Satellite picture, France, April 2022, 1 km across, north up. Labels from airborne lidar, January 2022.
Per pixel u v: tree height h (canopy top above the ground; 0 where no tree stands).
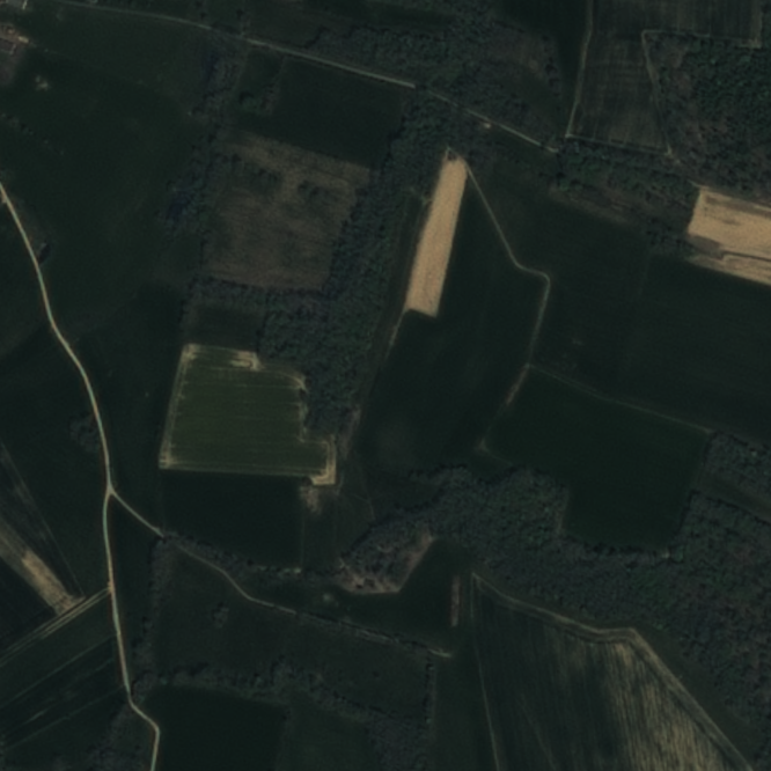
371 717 21
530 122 20
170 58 0
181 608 0
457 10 21
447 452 0
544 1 0
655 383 0
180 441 0
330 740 0
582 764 0
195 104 0
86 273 0
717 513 16
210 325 0
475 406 0
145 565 0
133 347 0
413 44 10
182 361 0
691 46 19
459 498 18
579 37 0
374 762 0
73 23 0
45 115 0
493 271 0
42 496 0
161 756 0
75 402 0
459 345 0
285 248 0
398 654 0
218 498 0
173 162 0
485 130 23
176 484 0
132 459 0
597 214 0
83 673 0
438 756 0
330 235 0
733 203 0
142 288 0
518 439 0
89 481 0
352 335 18
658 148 0
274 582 12
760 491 20
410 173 20
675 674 0
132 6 8
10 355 0
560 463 0
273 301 12
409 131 12
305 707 0
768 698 17
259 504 0
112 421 0
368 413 0
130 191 0
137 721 0
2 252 0
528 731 0
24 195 0
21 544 0
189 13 0
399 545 14
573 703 0
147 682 16
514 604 0
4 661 0
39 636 0
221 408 0
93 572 0
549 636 0
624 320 0
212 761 0
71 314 0
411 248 0
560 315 0
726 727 0
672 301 0
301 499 0
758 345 0
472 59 25
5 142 0
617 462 0
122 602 0
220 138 14
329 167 0
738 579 17
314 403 18
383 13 0
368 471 0
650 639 0
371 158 0
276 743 0
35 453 0
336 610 0
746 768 0
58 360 0
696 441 0
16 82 0
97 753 14
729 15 0
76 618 0
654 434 0
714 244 0
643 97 0
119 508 0
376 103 0
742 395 0
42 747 0
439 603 0
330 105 0
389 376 0
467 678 0
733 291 0
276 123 0
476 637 0
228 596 0
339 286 18
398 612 0
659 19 0
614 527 0
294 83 0
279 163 0
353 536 0
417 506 0
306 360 20
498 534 23
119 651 0
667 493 0
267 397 0
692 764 0
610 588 23
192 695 0
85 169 0
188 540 16
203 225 6
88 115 0
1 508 0
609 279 0
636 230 0
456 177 0
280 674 18
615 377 0
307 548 0
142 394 0
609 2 0
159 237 0
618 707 0
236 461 0
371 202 22
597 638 0
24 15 0
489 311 0
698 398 0
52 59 0
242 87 0
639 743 0
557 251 0
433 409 0
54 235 0
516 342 0
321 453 0
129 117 0
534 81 0
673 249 16
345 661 0
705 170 13
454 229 0
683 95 26
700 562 15
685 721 0
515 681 0
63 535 0
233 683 12
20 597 0
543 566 22
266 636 0
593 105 0
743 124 8
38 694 0
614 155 15
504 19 0
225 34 19
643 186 9
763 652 11
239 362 0
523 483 21
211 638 0
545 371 0
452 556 0
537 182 0
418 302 0
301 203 0
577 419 0
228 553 0
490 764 0
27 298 0
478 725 0
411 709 0
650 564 29
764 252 0
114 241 0
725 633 19
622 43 0
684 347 0
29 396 0
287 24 0
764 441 0
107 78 0
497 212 0
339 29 0
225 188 17
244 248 0
